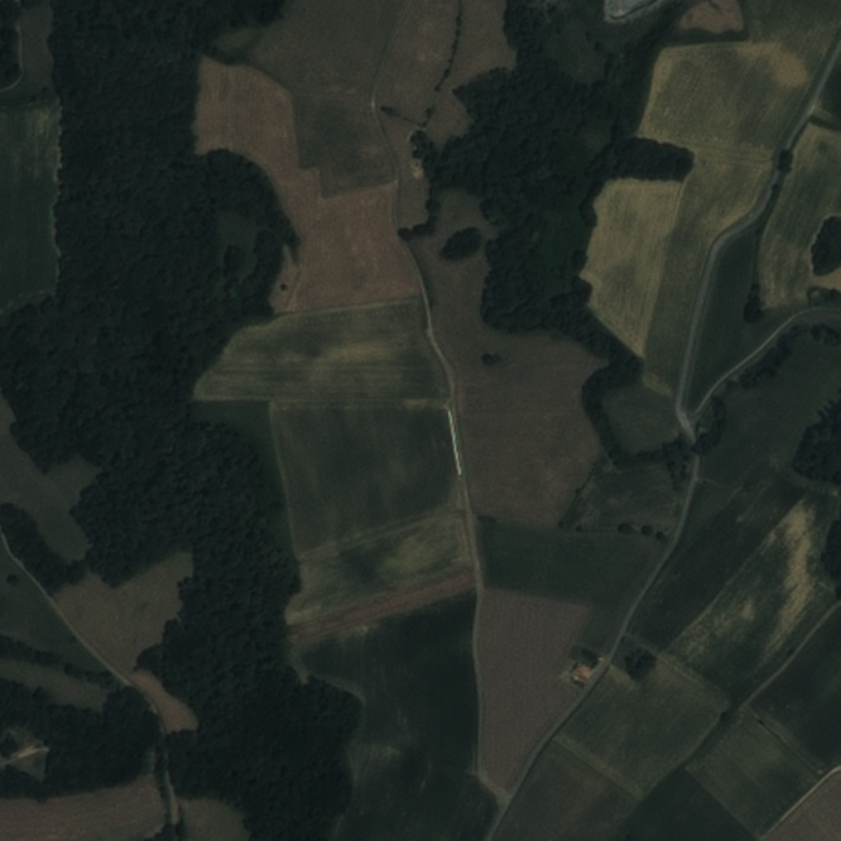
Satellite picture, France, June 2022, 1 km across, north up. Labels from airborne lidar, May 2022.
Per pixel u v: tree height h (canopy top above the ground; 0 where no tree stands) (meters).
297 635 0
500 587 0
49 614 0
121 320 25
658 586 0
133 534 25
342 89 0
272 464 0
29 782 20
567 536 0
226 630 15
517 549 0
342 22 0
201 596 20
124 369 24
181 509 21
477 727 0
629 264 0
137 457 24
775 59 0
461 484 0
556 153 24
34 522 12
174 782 14
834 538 17
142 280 14
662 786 0
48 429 25
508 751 0
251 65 0
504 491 0
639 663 10
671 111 0
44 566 12
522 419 0
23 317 20
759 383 13
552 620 0
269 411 0
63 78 19
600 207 0
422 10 0
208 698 18
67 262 11
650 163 19
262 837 17
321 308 0
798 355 0
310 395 0
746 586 0
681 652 0
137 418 25
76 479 0
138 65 21
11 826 0
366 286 0
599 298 0
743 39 0
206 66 0
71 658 0
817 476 19
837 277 0
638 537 0
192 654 24
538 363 0
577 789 0
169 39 31
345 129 0
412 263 0
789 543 0
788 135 0
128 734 17
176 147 27
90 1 20
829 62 0
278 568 19
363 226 0
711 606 0
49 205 0
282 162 0
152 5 17
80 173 16
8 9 21
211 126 0
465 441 0
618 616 0
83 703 0
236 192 22
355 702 23
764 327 0
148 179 30
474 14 0
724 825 0
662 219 0
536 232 14
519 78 16
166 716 0
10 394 16
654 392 0
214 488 26
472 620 0
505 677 0
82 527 16
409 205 0
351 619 0
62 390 30
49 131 0
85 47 22
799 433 0
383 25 0
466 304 0
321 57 0
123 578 17
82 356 28
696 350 0
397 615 0
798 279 0
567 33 0
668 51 0
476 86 7
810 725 0
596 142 0
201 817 0
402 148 0
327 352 0
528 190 23
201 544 14
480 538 0
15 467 0
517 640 0
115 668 0
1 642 17
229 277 13
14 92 0
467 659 0
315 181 0
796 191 0
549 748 0
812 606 0
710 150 0
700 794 0
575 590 0
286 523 0
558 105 21
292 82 0
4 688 20
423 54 0
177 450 21
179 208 30
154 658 18
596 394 19
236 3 22
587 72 0
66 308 23
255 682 20
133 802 0
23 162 0
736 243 0
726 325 0
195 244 20
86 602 0
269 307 11
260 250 17
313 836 14
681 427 0
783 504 0
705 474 0
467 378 0
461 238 14
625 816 0
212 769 17
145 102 15
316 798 19
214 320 10
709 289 0
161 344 34
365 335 0
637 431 0
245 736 16
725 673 0
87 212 20
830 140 0
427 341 0
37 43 0
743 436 0
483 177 21
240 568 18
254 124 0
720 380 0
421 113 0
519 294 17
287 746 22
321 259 0
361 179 0
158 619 0
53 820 0
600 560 0
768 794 0
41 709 16
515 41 7
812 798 0
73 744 23
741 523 0
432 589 0
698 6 0
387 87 0
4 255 0
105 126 20
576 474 0
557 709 0
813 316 0
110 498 26
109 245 18
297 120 0
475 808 0
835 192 0
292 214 0
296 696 24
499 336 0
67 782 19
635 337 0
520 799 0
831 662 0
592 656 6
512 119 17
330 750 21
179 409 24
